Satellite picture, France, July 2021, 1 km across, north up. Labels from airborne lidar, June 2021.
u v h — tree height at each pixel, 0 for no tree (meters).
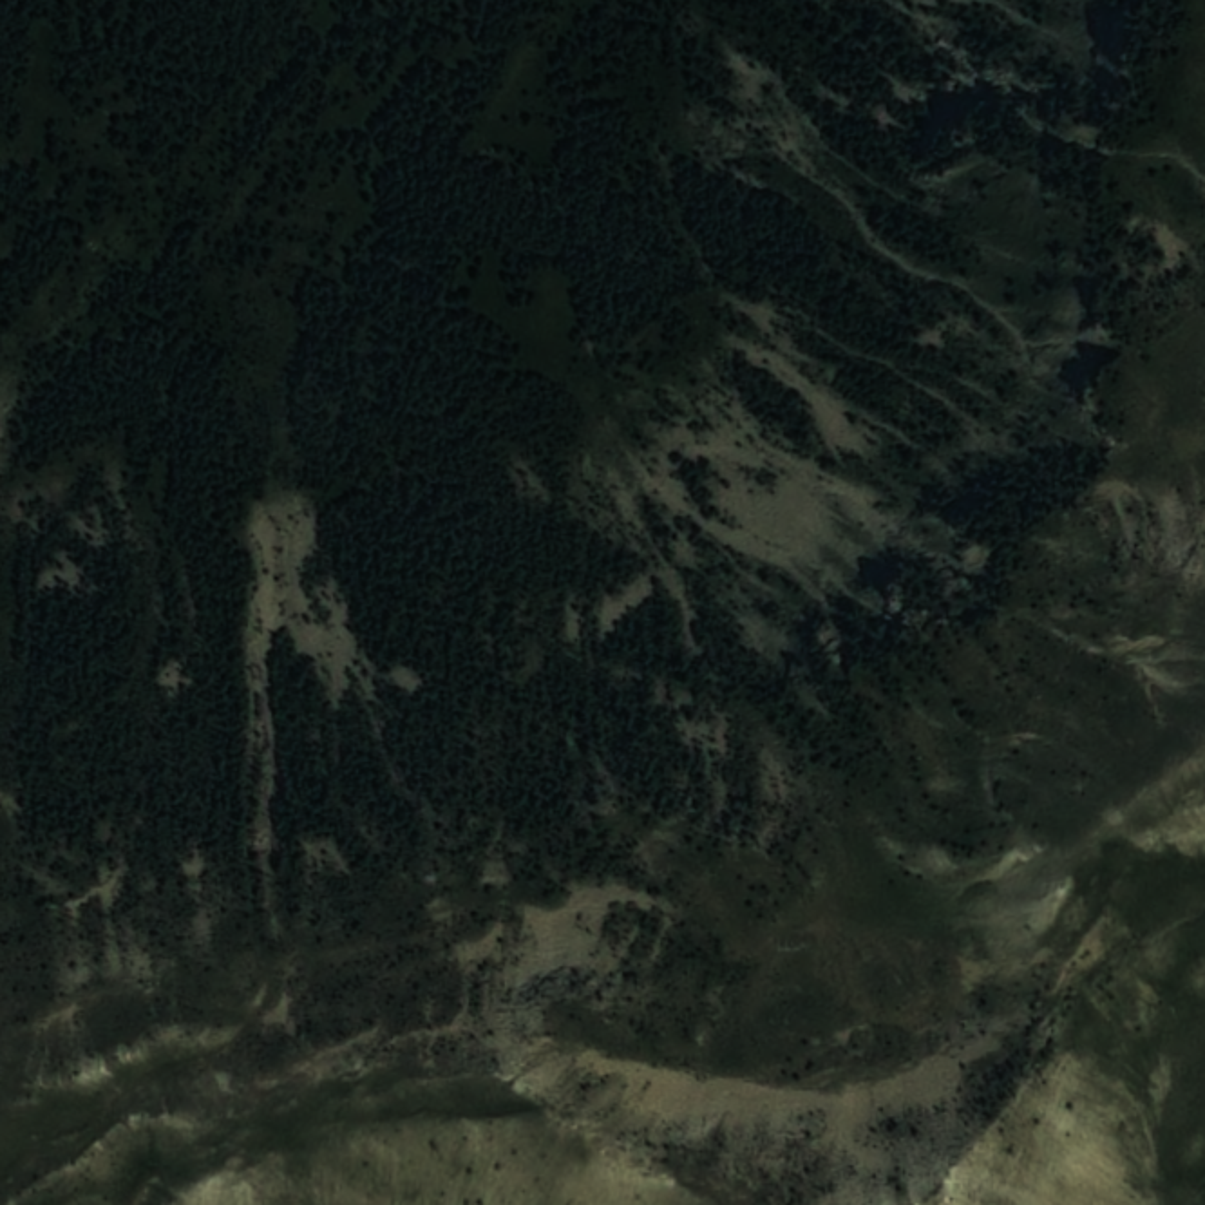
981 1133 0
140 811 8
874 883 0
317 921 8
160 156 10
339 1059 0
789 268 16
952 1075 0
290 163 6
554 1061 0
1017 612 0
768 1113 0
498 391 14
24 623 11
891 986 0
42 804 10
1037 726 0
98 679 10
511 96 0
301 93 18
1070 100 8
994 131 10
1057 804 0
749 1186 0
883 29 17
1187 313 0
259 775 7
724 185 18
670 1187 0
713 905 0
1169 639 0
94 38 17
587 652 6
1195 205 0
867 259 16
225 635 9
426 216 10
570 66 16
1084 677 0
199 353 13
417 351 17
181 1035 0
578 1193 0
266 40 10
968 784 0
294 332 0
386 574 16
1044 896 0
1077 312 0
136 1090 0
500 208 15
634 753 9
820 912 0
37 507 9
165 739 12
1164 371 0
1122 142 9
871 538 0
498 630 13
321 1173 0
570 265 15
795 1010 0
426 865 0
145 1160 0
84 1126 0
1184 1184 0
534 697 7
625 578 12
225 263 10
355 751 10
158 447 14
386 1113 0
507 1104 0
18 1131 0
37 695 6
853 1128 0
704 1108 0
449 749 15
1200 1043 0
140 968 0
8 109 15
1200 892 0
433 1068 0
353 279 14
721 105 14
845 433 0
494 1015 0
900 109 15
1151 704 0
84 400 12
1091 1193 0
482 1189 0
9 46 14
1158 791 0
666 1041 0
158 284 11
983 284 0
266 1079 0
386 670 11
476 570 14
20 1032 0
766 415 9
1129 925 0
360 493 19
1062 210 0
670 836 0
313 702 12
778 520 0
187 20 16
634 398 0
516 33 9
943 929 0
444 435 18
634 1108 0
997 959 0
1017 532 7
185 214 9
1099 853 0
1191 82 0
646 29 9
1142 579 0
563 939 0
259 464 8
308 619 8
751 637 0
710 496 12
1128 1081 0
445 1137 0
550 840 6
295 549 0
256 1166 0
